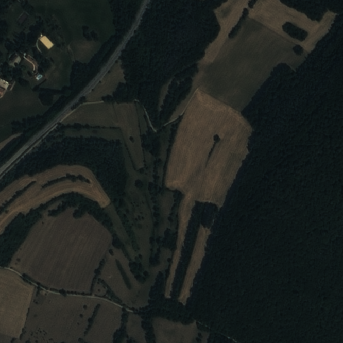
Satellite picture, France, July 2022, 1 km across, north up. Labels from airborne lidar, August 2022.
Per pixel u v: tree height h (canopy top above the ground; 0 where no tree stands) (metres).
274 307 19
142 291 0
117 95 24
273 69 0
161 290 15
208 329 9
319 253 14
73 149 17
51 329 0
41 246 0
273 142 23
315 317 19
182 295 0
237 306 19
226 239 25
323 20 0
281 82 25
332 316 20
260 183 25
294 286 23
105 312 0
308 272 17
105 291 0
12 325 0
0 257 7
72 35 0
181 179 0
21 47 24
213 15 17
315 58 12
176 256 0
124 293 0
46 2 0
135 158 0
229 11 0
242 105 0
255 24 0
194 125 0
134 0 10
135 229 0
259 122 27
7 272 0
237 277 20
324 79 27
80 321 0
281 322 22
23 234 7
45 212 0
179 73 15
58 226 0
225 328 17
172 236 17
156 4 5
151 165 0
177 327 0
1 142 0
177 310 19
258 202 22
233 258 20
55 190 0
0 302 0
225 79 0
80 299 0
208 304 22
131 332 0
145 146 21
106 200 0
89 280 0
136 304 0
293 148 24
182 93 19
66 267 0
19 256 0
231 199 24
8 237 8
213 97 0
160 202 0
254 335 21
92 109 0
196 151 0
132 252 0
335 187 17
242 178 23
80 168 0
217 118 0
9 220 0
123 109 0
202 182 0
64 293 16
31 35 17
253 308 22
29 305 0
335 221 14
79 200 16
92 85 0
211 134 0
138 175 0
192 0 16
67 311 0
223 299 25
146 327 15
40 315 0
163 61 9
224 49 0
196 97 0
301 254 16
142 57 6
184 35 16
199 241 0
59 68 0
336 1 22
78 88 14
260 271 20
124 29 21
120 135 0
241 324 22
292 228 20
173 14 18
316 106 14
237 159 0
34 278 0
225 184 0
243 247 18
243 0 0
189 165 0
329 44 25
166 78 23
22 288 0
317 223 22
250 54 0
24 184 0
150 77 18
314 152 21
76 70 27
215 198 0
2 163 14
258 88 0
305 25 0
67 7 0
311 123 22
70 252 0
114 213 0
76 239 0
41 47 0
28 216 9
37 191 0
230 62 0
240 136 0
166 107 13
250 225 24
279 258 25
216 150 0
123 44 0
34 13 18
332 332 21
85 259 0
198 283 28
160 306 19
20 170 15
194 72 20
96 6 0
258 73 0
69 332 0
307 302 16
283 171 22
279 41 0
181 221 0
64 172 0
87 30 20
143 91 17
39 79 0
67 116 0
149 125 6
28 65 0
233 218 26
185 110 0
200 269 0
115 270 0
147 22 19
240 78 0
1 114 0
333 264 14
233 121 0
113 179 22
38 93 0
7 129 0
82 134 0
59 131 16
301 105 25
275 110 23
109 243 0
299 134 26
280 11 0
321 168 22
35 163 19
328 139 22
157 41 21
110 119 0
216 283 28
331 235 12
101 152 23
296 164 20
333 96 27
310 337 19
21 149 0
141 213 8
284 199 17
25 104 0
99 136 0
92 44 0
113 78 0
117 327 0
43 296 0
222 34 0
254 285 24
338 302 15
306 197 17
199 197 0
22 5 16
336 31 7
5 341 0
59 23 0
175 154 0
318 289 16
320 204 18
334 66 27
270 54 0
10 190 0
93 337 0
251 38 0
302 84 21
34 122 18
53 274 0
